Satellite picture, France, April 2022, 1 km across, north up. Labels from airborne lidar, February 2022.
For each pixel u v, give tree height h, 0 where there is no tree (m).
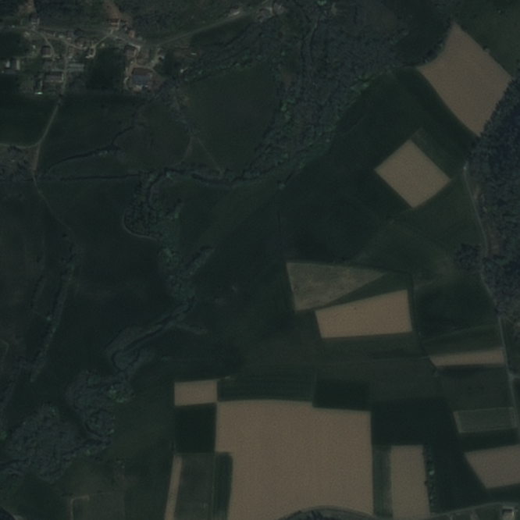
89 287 0
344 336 0
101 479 0
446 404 0
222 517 0
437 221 0
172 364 0
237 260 0
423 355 0
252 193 0
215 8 11
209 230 0
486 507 0
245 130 0
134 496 0
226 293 0
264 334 0
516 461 0
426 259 0
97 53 0
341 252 0
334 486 0
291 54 15
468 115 0
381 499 0
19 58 0
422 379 0
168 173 16
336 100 17
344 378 0
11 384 9
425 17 0
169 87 19
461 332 0
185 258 0
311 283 0
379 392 0
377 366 0
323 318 0
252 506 0
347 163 0
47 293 0
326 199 0
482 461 0
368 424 0
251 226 0
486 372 0
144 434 0
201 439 0
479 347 0
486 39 0
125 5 18
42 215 0
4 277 0
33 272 0
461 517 0
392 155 0
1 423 15
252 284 0
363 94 0
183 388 0
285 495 0
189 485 0
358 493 0
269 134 15
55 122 0
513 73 0
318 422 0
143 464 0
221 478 0
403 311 0
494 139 23
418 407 0
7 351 0
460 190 0
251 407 0
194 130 16
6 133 0
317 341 0
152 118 0
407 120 0
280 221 0
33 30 0
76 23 10
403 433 0
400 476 0
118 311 0
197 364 0
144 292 0
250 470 0
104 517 0
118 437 0
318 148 6
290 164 6
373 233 0
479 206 0
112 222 0
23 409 0
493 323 0
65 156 0
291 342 0
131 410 0
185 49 0
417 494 0
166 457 0
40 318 0
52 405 13
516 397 0
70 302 0
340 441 0
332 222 0
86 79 9
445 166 0
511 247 29
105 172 0
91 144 0
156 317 0
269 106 0
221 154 0
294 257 0
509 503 0
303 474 0
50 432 11
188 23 6
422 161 0
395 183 0
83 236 0
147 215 0
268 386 0
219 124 0
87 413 12
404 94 0
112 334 0
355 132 0
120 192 0
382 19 0
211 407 0
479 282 0
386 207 0
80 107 0
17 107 0
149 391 0
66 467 14
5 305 0
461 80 0
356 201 0
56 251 0
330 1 0
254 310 0
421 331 0
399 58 12
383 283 0
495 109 0
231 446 0
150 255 0
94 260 0
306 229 0
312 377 0
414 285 0
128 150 0
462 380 0
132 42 0
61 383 0
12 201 0
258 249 0
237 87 0
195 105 0
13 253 0
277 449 0
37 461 9
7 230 0
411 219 0
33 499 0
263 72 0
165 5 16
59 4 14
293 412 0
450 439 0
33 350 0
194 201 0
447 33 6
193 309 0
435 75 0
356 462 0
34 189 0
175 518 0
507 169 18
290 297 0
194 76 9
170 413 0
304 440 0
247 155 0
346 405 0
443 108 0
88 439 0
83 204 0
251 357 0
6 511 0
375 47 21
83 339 0
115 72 0
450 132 0
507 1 0
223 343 0
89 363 0
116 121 0
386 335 0
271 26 14
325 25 14
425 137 0
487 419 0
